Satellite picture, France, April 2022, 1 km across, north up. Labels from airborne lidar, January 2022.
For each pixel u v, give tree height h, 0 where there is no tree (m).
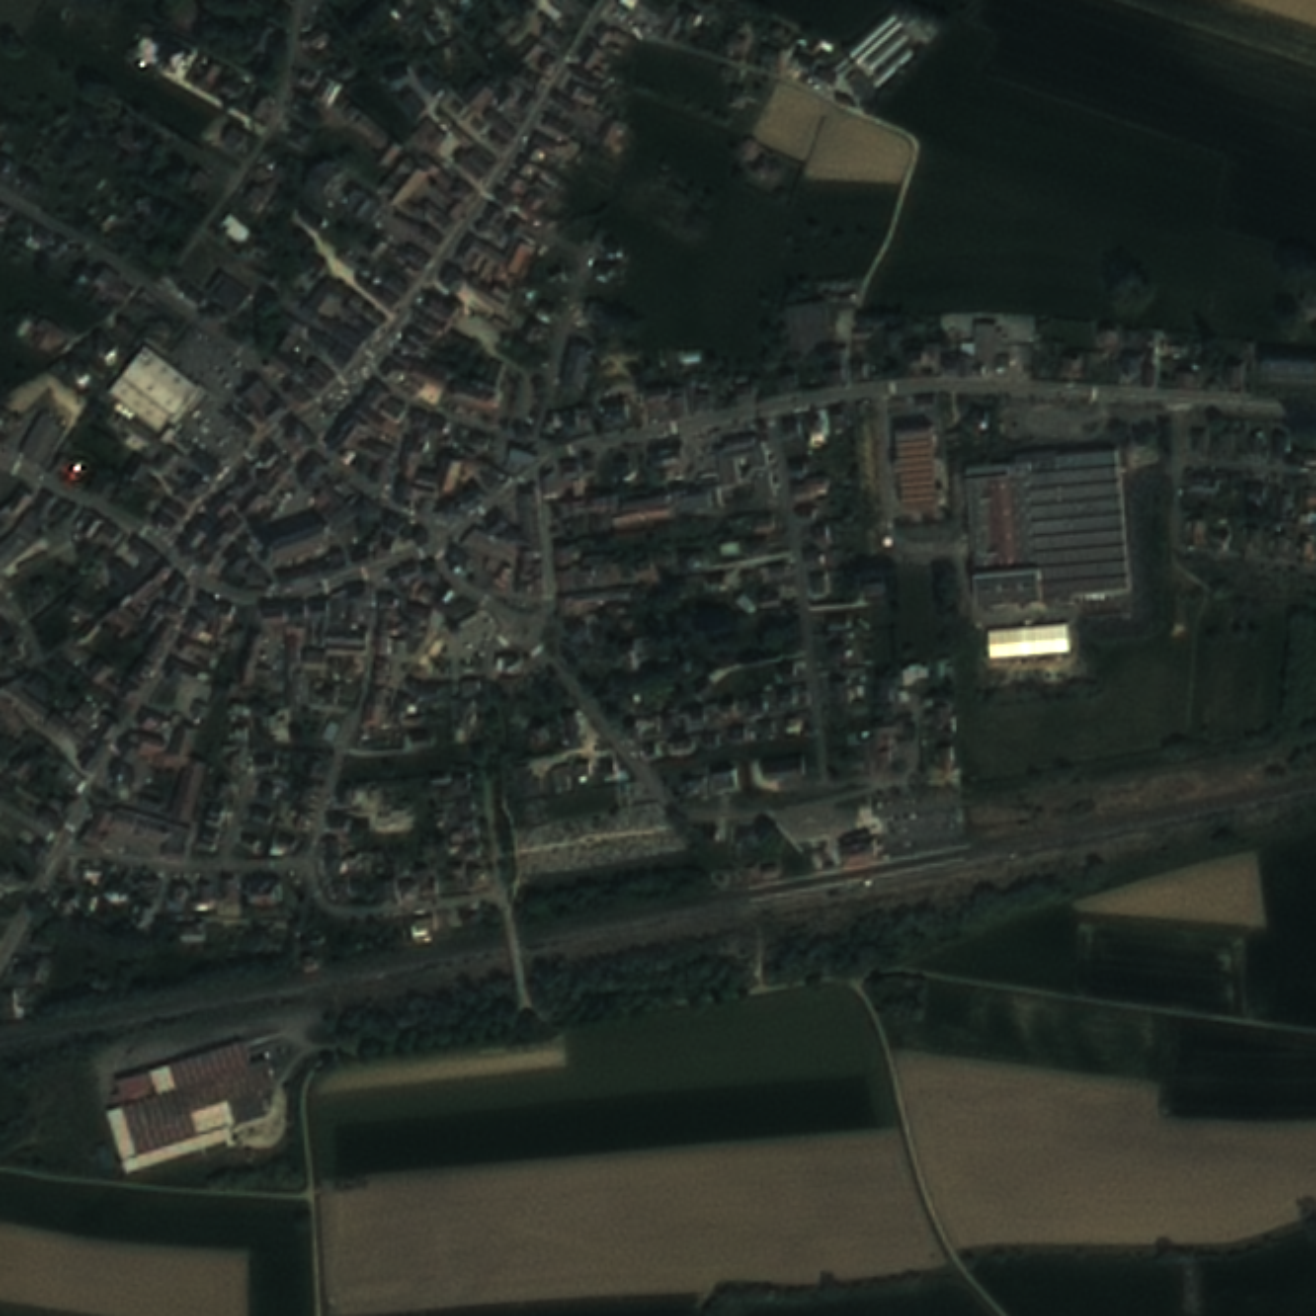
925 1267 0
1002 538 0
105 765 0
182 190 6
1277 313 0
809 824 0
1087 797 0
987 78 0
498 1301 0
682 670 11
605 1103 0
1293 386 0
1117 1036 0
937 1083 0
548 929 0
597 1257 0
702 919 0
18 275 0
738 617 16
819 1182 0
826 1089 0
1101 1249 0
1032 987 0
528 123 0
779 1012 0
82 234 12
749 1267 0
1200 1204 0
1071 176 0
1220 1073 0
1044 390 0
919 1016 7
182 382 0
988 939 0
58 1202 0
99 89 19
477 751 11
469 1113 0
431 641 0
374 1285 0
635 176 0
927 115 0
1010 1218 0
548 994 20
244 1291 0
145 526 0
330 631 0
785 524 0
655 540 9
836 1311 0
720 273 0
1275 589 0
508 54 0
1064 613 0
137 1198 0
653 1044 0
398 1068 0
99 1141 0
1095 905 0
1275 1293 0
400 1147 0
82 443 0
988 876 0
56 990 0
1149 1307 0
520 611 0
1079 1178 0
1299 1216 0
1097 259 0
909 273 0
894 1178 0
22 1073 16
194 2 0
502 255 0
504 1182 0
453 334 7
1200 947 0
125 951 17
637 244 0
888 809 0
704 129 0
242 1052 0
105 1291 0
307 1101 0
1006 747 0
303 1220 12
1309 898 0
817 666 0
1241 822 0
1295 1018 0
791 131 0
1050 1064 0
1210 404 0
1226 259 0
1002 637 0
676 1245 0
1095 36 0
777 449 0
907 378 0
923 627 0
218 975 14
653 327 0
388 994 0
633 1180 0
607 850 0
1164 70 0
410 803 7
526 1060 0
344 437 0
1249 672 0
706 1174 0
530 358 16
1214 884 0
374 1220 0
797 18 0
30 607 0
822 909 0
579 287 0
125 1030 0
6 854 0
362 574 0
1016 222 0
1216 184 0
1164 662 0
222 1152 0
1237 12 0
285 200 8
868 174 0
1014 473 0
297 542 0
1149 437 12
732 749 0
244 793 0
